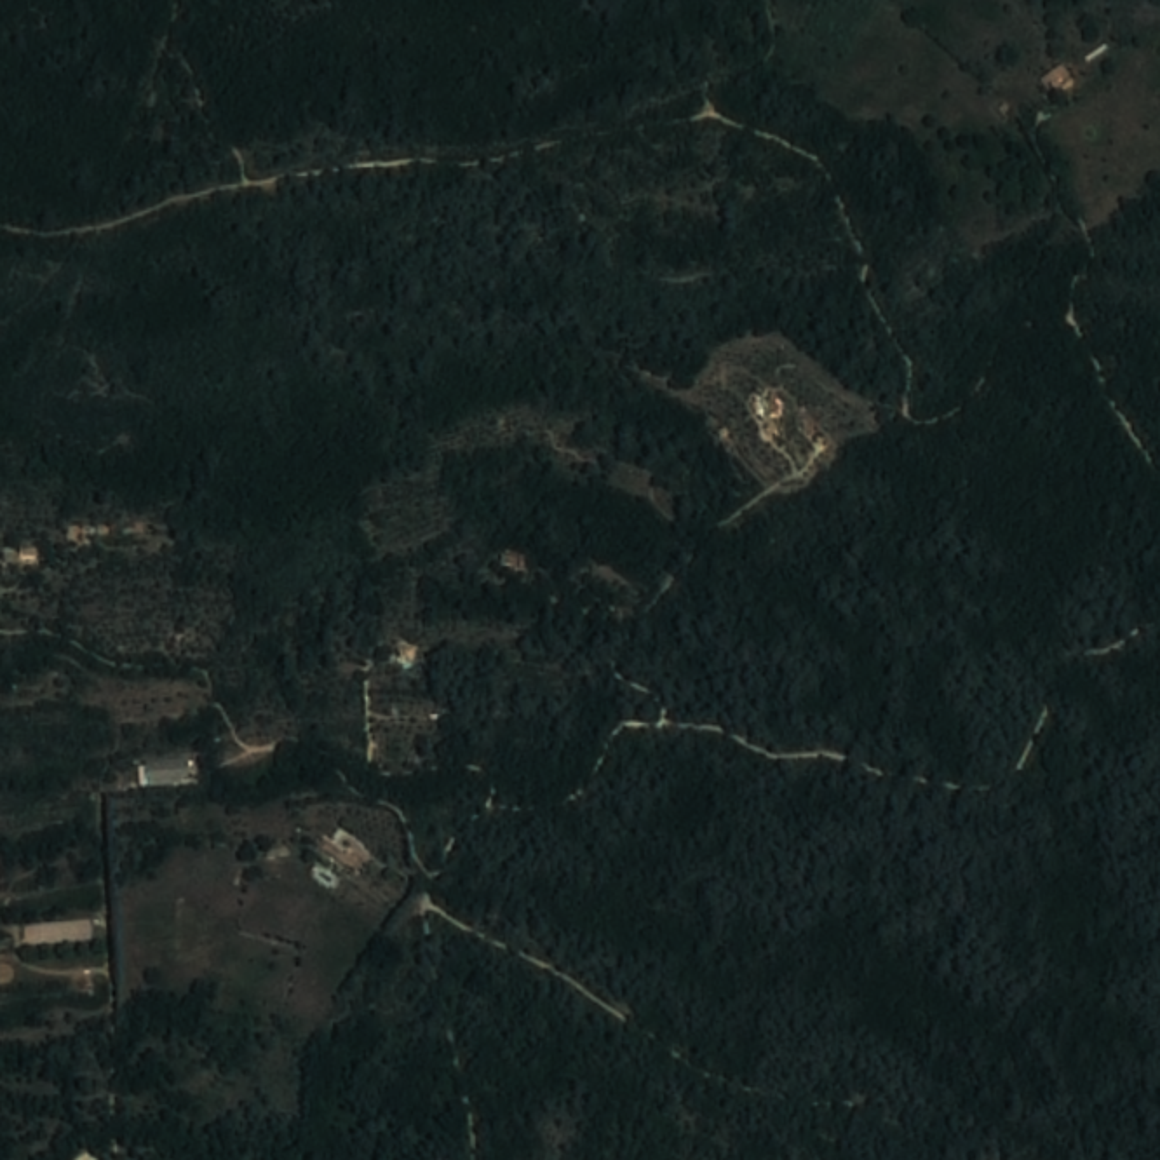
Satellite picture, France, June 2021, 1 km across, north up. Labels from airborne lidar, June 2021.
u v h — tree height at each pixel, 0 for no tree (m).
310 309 13
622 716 17
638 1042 10
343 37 7
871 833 19
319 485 13
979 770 19
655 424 10
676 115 7
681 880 19
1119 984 15
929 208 10
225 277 7
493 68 9
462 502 9
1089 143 0
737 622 9
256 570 7
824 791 9
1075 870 16
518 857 17
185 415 10
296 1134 16
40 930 0
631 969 19
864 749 10
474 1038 17
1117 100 0
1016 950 14
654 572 7
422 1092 16
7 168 9
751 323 8
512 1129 9
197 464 9
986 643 14
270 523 8
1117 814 21
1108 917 19
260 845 11
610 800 17
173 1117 13
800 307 10
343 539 8
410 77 11
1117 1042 16
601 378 7
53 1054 21
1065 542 13
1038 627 14
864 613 9
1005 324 13
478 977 18
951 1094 11
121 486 10
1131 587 11
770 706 7
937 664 15
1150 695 11
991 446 11
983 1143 13
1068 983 11
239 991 0
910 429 10
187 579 10
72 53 6
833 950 12
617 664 15
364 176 14
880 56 0
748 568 7
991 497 11
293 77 10
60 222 7
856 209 10
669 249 8
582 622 6
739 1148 8
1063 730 17
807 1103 16
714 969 12
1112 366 12
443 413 10
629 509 13
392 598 5
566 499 15
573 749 10
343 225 6
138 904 0
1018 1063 8
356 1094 20
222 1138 13
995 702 17
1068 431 10
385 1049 21
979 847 20
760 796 14
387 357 10
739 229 11
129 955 0
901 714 18
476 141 9
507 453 6
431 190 8
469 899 14
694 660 8
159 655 9
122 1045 13
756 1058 11
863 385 9
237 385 6
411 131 9
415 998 13
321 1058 16
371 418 13
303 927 0
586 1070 11
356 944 0
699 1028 16
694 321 17
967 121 0
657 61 14
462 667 19
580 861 18
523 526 10
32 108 7
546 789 13
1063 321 10
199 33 8
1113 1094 14
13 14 7
